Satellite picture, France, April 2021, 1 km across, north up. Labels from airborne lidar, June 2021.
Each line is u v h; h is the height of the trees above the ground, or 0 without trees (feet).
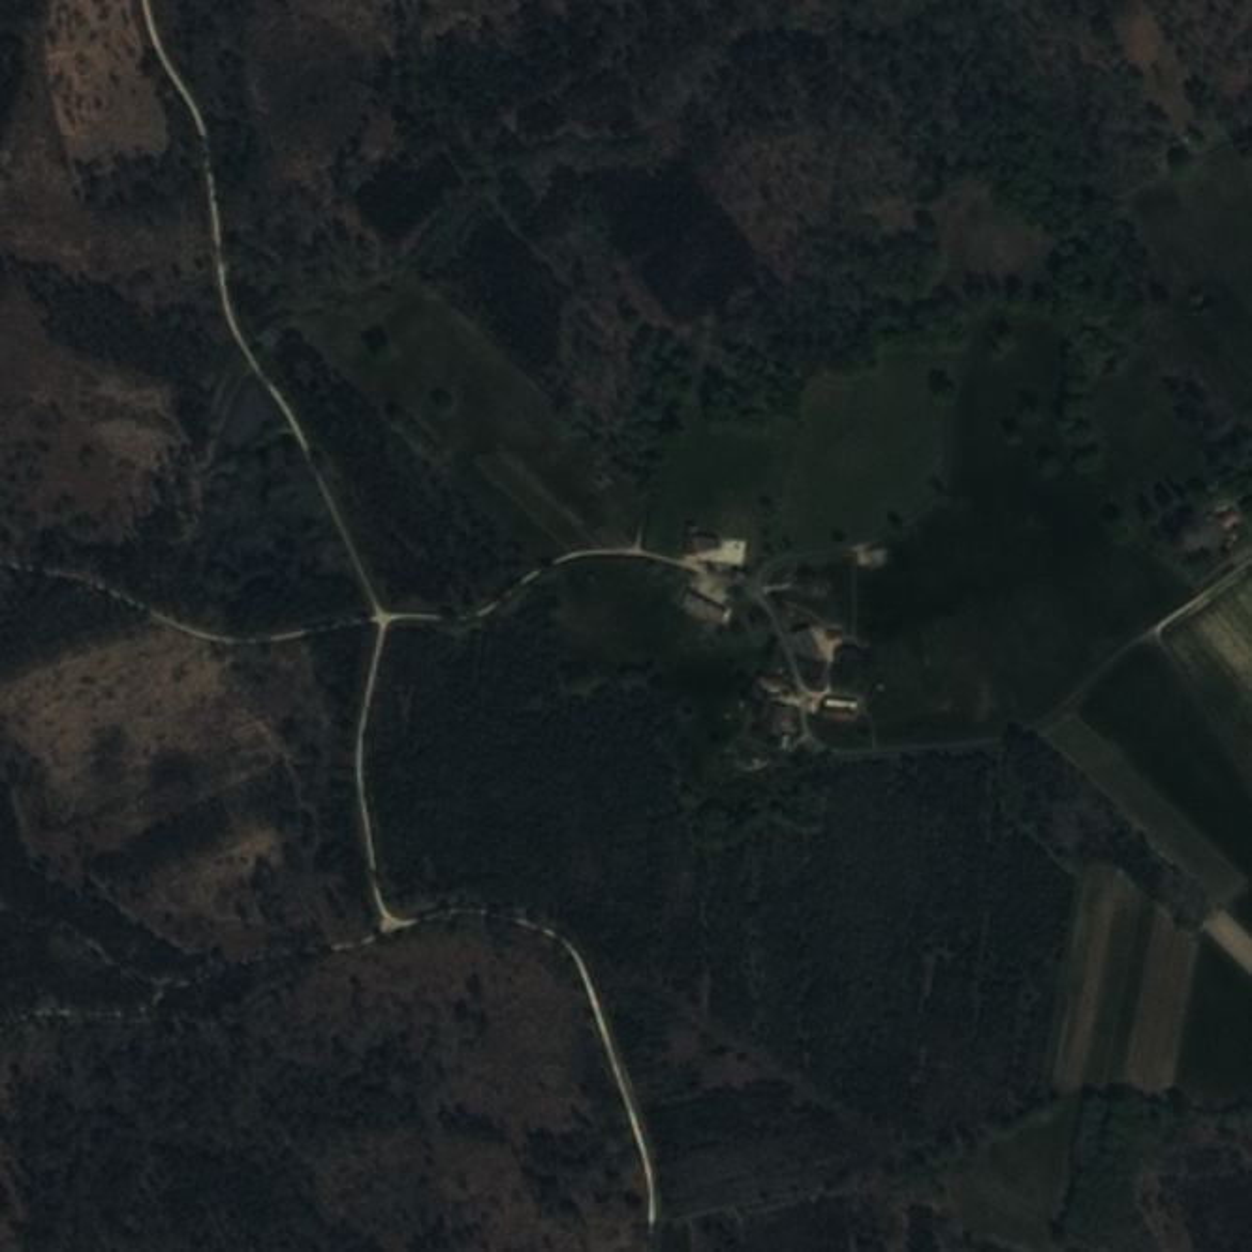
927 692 0
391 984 20
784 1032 30
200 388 56
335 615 53
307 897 49
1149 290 24
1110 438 0
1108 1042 0
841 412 0
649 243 37
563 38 51
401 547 28
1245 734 0
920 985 26
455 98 53
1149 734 0
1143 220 0
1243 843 0
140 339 62
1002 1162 0
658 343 46
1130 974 0
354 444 30
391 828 26
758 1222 23
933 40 89
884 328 70
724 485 0
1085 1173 59
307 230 38
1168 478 0
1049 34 45
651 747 26
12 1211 77
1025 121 95
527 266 27
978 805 32
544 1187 42
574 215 52
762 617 42
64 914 31
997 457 0
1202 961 0
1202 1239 24
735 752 0
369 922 37
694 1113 18
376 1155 41
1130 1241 64
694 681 0
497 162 61
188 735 0
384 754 24
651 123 58
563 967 32
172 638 0
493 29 54
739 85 68
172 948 32
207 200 0
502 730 28
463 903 26
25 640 64
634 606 0
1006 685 0
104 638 55
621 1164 25
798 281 28
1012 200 82
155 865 30
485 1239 44
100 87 0
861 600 0
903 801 24
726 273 30
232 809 22
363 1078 22
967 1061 25
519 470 0
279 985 26
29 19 50
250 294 41
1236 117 43
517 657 21
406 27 65
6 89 38
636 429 56
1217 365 0
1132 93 47
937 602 0
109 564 61
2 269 61
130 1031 38
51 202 0
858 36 74
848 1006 30
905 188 45
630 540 0
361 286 55
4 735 33
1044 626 0
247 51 43
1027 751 63
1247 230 0
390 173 39
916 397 0
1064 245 66
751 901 32
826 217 30
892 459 0
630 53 24
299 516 29
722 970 24
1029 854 29
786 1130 19
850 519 0
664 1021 28
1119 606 0
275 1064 79
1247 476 19
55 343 51
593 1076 26
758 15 47
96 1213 27
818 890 25
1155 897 48
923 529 0
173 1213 52
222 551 43
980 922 25
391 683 19
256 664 23
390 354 66
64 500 31
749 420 70
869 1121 28
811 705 0
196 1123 83
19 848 36
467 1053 27
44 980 29
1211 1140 21
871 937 30
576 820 20
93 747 0
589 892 22
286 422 0
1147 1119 54
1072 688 0
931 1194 51
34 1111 51
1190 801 0
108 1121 61
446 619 42
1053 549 0
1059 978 33
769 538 28
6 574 51
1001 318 0
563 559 0
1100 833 57
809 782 52
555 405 22
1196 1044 0
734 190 47
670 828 24
